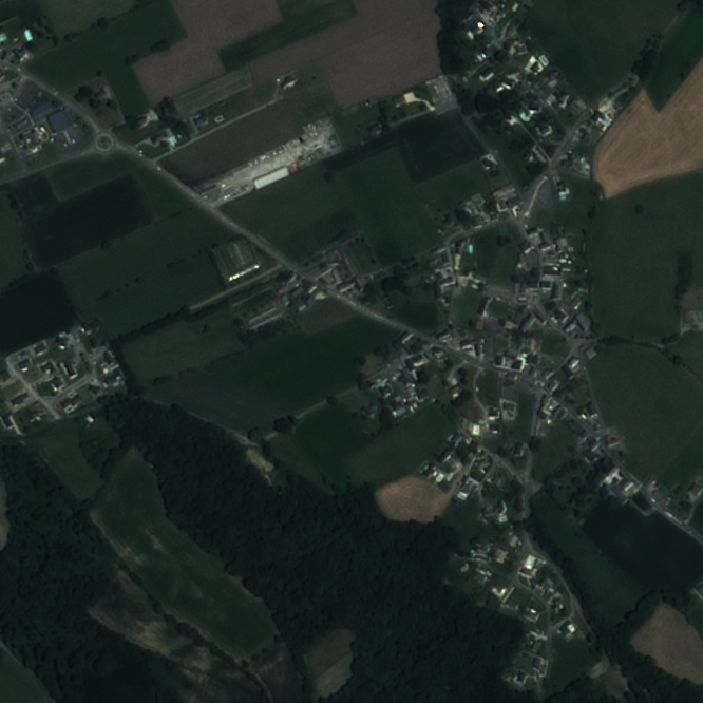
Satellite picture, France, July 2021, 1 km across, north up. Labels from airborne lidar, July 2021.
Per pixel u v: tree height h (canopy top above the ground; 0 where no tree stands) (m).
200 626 0
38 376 0
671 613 0
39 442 0
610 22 0
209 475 24
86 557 11
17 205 11
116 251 0
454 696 18
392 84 0
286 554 19
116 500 0
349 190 0
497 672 17
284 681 0
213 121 0
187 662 0
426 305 0
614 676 0
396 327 0
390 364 0
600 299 0
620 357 0
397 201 0
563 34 0
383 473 0
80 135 0
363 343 0
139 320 0
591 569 0
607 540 0
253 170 0
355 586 25
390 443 0
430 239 0
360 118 0
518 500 9
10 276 0
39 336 0
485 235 0
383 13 0
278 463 6
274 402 0
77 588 16
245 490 11
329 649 0
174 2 0
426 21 0
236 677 0
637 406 0
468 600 19
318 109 0
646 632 0
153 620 0
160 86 0
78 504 16
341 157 0
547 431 0
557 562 17
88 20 0
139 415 20
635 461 0
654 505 0
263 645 0
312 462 0
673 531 0
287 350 0
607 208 0
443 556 20
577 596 10
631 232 0
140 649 12
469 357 0
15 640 19
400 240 0
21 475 12
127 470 0
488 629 28
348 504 17
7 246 0
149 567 0
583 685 23
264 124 0
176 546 0
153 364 0
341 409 0
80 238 0
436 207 0
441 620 23
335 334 0
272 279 5
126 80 0
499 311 0
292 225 0
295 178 0
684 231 0
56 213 0
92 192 0
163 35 0
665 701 25
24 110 0
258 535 19
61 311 0
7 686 0
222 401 0
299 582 18
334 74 0
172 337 0
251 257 0
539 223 0
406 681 20
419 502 0
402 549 29
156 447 14
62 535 10
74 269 0
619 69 0
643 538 0
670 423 0
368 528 22
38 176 0
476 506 0
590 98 0
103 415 9
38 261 0
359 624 14
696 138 0
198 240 0
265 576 18
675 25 0
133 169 0
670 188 0
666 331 0
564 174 0
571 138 0
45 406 0
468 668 22
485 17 0
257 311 6
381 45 0
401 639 20
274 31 0
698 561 0
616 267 0
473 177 0
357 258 0
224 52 0
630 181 0
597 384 0
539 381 0
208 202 0
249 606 0
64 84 0
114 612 0
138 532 0
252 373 0
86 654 6
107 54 0
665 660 0
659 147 0
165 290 0
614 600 0
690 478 0
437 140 0
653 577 0
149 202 0
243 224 0
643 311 0
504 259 0
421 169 0
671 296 0
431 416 0
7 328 0
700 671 0
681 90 0
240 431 0
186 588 0
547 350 0
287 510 25
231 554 15
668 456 0
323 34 0
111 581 8
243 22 0
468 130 0
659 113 0
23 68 0
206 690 0
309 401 0
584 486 8
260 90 0
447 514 0
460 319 0
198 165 0
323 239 0
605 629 22
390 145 0
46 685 15
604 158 0
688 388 0
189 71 0
